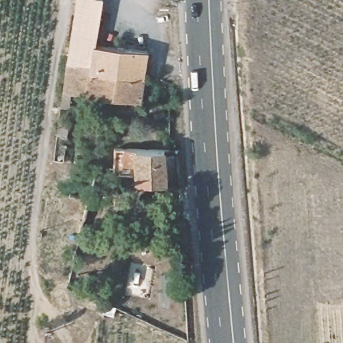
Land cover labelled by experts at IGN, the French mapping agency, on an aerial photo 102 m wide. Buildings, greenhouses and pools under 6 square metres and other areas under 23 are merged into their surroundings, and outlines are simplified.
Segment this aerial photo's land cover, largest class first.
<instances>
[{"label":"vineyard","instance_id":"1","mask_svg":"<svg viewBox=\"0 0 343 343\"><path fill-rule=\"evenodd\" d=\"M59 3L55 0H0V343H44L38 334V327L47 328L50 319L33 303L31 293L28 292L29 261L24 255L27 251L31 224L36 180L35 162L38 161L40 134L43 131L42 122L46 106L44 100L50 78L55 28L58 24ZM233 4V17H229V35L232 44L240 137H244V157L249 155L253 158V137L252 134H248L245 126H253V122H257L301 142L312 143L316 153L343 163V0H230ZM318 343H343V307L340 304L316 305Z\"/></svg>","mask_w":343,"mask_h":343},{"label":"deciduous trees","instance_id":"2","mask_svg":"<svg viewBox=\"0 0 343 343\"><path fill-rule=\"evenodd\" d=\"M186 0H121L115 31L123 36V33L131 29L139 43L143 42V33H147L150 39L169 44L166 63L173 67L170 79L182 88H192V72L188 70L189 55L186 51ZM70 105L75 107L74 113L68 111L67 121L70 125L67 129L64 159L70 161V180L60 182L59 192L62 196L78 198L87 206V216L82 230L74 233V244L64 248L63 252L66 267L63 276L71 275L68 291L74 292L78 299L94 301L99 311L107 312L111 308H118L143 322L180 336L188 340V343H196L194 296L192 288L198 271L192 251L188 247V237L192 230L189 221L184 217V206L178 204V196L176 185L167 184L166 190L143 192L135 188L131 192H126L121 184H118L119 178L134 176L119 170V155L123 150L127 142L159 141L166 145L170 127L166 126L159 131L151 130L154 122L147 117L145 111L155 113L159 110H177L181 114L184 105L178 102L173 88L158 87L146 76L141 106L113 105L105 96L98 98L90 92H83L71 98V102ZM146 267L151 268L149 292L142 297L131 295L130 281L134 279V275H139L138 285H141L145 279Z\"/></svg>","mask_w":343,"mask_h":343},{"label":"impervious surface","instance_id":"3","mask_svg":"<svg viewBox=\"0 0 343 343\"><path fill-rule=\"evenodd\" d=\"M103 3V9L96 50L110 52L119 44V48L126 55H147L149 60L146 76L158 87L173 88L178 102L184 105L186 100L192 102L189 119L193 122V131L188 138L194 141V170L197 174L196 177L188 176L185 192L178 196V204L184 206V217L189 221L192 230L188 237V247L192 251L198 271L192 288L194 296L200 292L206 296L205 318L209 319L206 338L210 339V343H255L247 261V230L243 208L244 190L241 181L240 137L232 44L229 35V17H233V4L230 0H186V51L189 55L188 70L192 72V88H182L170 79L173 67L166 63L169 44L150 39L147 33H143V42L139 43L131 29L123 33V36L115 31L121 0H99ZM145 279L141 285H138L139 275H134V279L130 281L131 295L142 297L149 292L151 268L146 267Z\"/></svg>","mask_w":343,"mask_h":343},{"label":"plowed land","instance_id":"4","mask_svg":"<svg viewBox=\"0 0 343 343\"><path fill-rule=\"evenodd\" d=\"M248 134H252L253 137V158L256 161L255 178L260 214V217H253V221L260 224L268 343H318L316 305L340 304L343 307V163L316 153L312 143L301 142L257 122H253V126H245Z\"/></svg>","mask_w":343,"mask_h":343},{"label":"herbaceous vegetation","instance_id":"5","mask_svg":"<svg viewBox=\"0 0 343 343\"><path fill-rule=\"evenodd\" d=\"M67 58L60 56L54 100V107L60 113L54 115L50 137L51 151L46 162V178H50V181L43 186L40 201L38 220L46 222L47 226L40 232L42 247L39 249L38 275L44 295L52 307L56 308V314L62 316L66 322L62 327L70 332L72 343H188V340L180 336L143 322L118 308H111L107 312L99 311L94 301L78 299L74 292L68 291L71 275L63 276L66 267L63 252L64 248L74 244V233L82 230L87 216V206L78 198L62 196L59 192L60 182L70 180V161L64 159L62 163L56 162L55 149L56 142L59 141L58 130L67 129L70 125L67 121L68 111L74 113L75 107L70 105L71 102L62 95ZM192 102L186 100L184 105L181 114L177 110H159L155 113L145 111L147 117L154 122L151 130L159 131L166 126L170 127L166 145L159 141L127 142L123 150H162L166 157L167 184L176 185L178 196L185 192L188 176L196 177L197 174L194 170V141L188 138L193 131V122L189 119ZM241 181L244 190L243 208L247 230V261L255 343H268L260 224L253 221V217H260V214L255 178L256 161L253 158L249 155L244 157V137H240ZM206 296L200 292L194 296L196 343H210V339L206 338L209 319L205 318Z\"/></svg>","mask_w":343,"mask_h":343},{"label":"building","instance_id":"6","mask_svg":"<svg viewBox=\"0 0 343 343\"><path fill-rule=\"evenodd\" d=\"M103 9V3L99 0H75L74 27L67 58L62 95L71 102V98L83 92H90L98 98L105 96L113 105L141 106L146 76L149 60L147 55H126L119 48V44L110 52L96 50ZM67 129L58 130L59 141L56 142L55 149L56 162L62 163L64 159ZM119 170L134 176L119 178L118 184H121L126 192H131L135 188L143 192L166 190L167 184L166 157L162 150H123L119 155Z\"/></svg>","mask_w":343,"mask_h":343},{"label":"pervious surface","instance_id":"7","mask_svg":"<svg viewBox=\"0 0 343 343\"><path fill-rule=\"evenodd\" d=\"M59 3L58 24L55 28L50 78L44 100L46 106L42 122L43 131L40 134L38 161L35 162L36 180L31 224L27 251L24 255L29 261L28 292L31 293L33 303L50 319L47 328L38 327V334L44 343H72L70 332L62 327L66 322L62 316L56 314V308L52 307L44 295L38 275L39 249L42 247L40 232L47 226L46 222L38 220L40 201L43 186L50 181V178H46V162L51 151L50 137L54 115L60 113L54 107V100L60 56L67 58L74 27L75 0H55Z\"/></svg>","mask_w":343,"mask_h":343}]
</instances>
